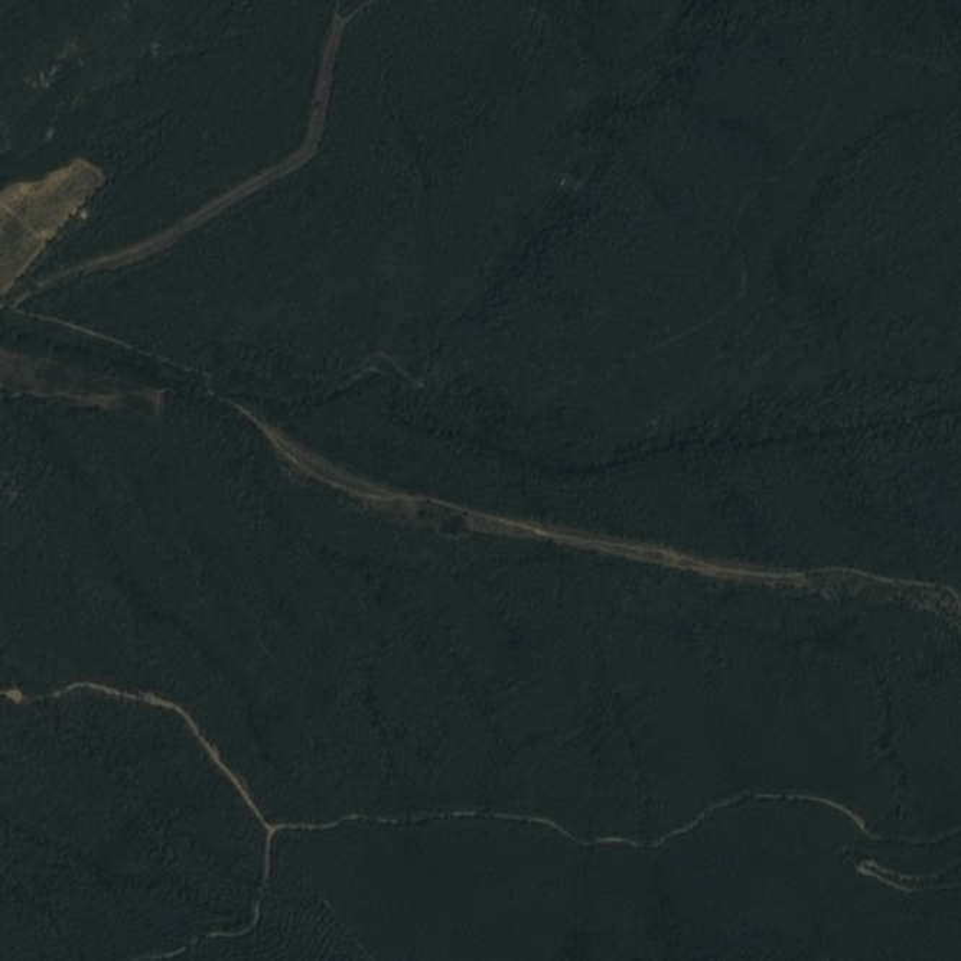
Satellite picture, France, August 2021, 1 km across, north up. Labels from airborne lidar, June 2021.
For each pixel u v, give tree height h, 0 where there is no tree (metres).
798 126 0
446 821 6
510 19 6
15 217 0
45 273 7
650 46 6
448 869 7
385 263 0
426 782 6
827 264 6
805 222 8
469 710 9
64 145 8
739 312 0
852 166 7
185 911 6
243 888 6
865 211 6
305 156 0
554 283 9
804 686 6
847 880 6
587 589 6
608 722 6
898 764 6
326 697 6
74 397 0
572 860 7
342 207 6
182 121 6
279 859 6
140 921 7
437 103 6
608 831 6
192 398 7
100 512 7
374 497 0
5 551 6
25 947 5
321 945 7
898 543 6
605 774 8
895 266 9
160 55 7
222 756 5
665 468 9
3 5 6
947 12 7
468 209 0
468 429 13
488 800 9
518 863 5
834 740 8
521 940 5
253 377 6
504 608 7
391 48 6
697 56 6
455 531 6
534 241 8
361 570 7
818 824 5
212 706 7
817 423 13
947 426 8
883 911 7
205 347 7
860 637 6
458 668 9
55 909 6
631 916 8
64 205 0
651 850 9
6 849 6
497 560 7
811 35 5
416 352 6
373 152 7
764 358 7
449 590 5
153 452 6
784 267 9
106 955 5
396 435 10
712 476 10
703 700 6
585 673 7
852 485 7
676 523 7
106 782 6
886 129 7
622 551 0
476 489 7
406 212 7
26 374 0
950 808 7
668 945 8
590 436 8
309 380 7
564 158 11
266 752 10
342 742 6
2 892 10
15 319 7
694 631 6
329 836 7
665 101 7
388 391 6
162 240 0
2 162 10
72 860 9
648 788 5
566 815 9
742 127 6
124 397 0
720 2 12
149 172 6
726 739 6
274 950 8
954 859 9
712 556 6
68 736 9
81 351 8
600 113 7
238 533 5
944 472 6
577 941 9
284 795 7
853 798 7
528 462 7
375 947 5
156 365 6
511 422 6
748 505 5
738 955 6
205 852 7
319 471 0
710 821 6
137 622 6
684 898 6
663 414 6
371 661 6
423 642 6
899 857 8
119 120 6
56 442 6
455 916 5
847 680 5
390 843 7
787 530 5
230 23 7
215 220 6
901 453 7
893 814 10
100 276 8
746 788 8
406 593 7
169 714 11
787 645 7
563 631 9
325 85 0
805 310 7
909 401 9
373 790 10
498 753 6
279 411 8
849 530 7
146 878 6
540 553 7
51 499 6
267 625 5
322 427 9
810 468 7
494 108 6
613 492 8
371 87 6
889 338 6
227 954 7
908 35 7
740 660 5
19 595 6
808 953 7
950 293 6
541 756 5
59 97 6
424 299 6
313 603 5
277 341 6
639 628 6
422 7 5
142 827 7
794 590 6
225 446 7
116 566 7
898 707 7
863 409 8
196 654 9
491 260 6
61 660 6
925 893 8
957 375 6
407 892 6
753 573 0
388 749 9
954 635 6
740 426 10
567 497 7
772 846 5
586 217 6
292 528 7
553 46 6
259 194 6
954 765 7
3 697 11
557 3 5
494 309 6
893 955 6
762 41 7
